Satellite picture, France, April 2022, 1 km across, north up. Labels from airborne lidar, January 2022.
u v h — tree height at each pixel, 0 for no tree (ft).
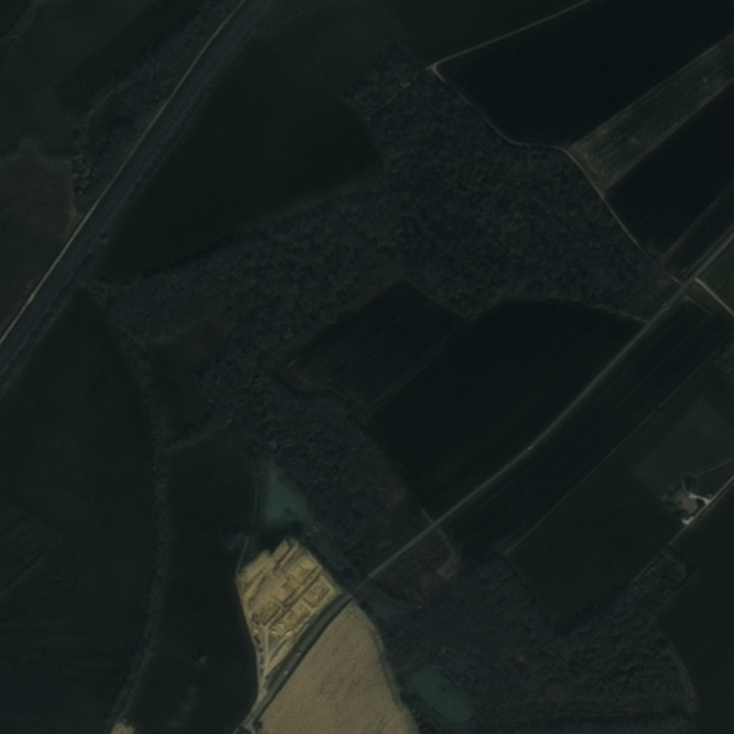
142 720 0
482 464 0
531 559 0
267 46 0
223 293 88
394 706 0
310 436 51
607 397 0
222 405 68
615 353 0
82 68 0
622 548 0
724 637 0
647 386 0
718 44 0
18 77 0
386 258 98
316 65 0
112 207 0
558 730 74
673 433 0
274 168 0
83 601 0
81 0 0
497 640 58
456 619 78
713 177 0
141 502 0
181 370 0
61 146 0
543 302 0
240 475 0
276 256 92
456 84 0
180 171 0
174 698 0
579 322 0
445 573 0
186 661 0
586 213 62
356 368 0
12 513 0
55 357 0
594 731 67
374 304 0
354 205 58
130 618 0
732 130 0
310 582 0
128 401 0
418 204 53
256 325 68
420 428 0
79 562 0
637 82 0
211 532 0
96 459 0
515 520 0
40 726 0
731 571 0
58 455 0
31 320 0
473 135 70
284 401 80
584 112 0
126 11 0
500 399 0
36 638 0
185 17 0
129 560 0
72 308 0
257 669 0
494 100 0
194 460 0
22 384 0
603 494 0
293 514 40
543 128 0
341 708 0
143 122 56
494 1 0
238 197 0
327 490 61
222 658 0
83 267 38
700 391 0
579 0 0
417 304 0
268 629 0
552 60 0
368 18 0
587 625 79
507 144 41
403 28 0
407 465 0
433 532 0
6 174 0
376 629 0
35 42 0
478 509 0
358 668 0
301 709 0
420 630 73
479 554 0
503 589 72
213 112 0
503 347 0
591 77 0
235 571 0
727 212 0
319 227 67
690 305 0
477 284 118
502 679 68
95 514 0
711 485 0
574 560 0
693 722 61
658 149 0
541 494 0
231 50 0
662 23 0
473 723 26
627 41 0
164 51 78
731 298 0
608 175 0
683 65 0
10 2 0
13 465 0
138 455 0
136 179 0
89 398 0
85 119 40
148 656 75
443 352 0
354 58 0
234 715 0
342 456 75
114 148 50
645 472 0
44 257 0
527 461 0
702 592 0
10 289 0
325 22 0
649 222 0
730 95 0
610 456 0
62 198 0
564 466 0
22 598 0
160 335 77
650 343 0
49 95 0
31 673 0
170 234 0
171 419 0
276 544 0
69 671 0
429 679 0
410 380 0
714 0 0
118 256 0
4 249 0
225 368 61
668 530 0
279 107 0
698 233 0
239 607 0
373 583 62
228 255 59
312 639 0
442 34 0
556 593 0
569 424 0
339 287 56
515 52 0
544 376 0
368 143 0
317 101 0
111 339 0
